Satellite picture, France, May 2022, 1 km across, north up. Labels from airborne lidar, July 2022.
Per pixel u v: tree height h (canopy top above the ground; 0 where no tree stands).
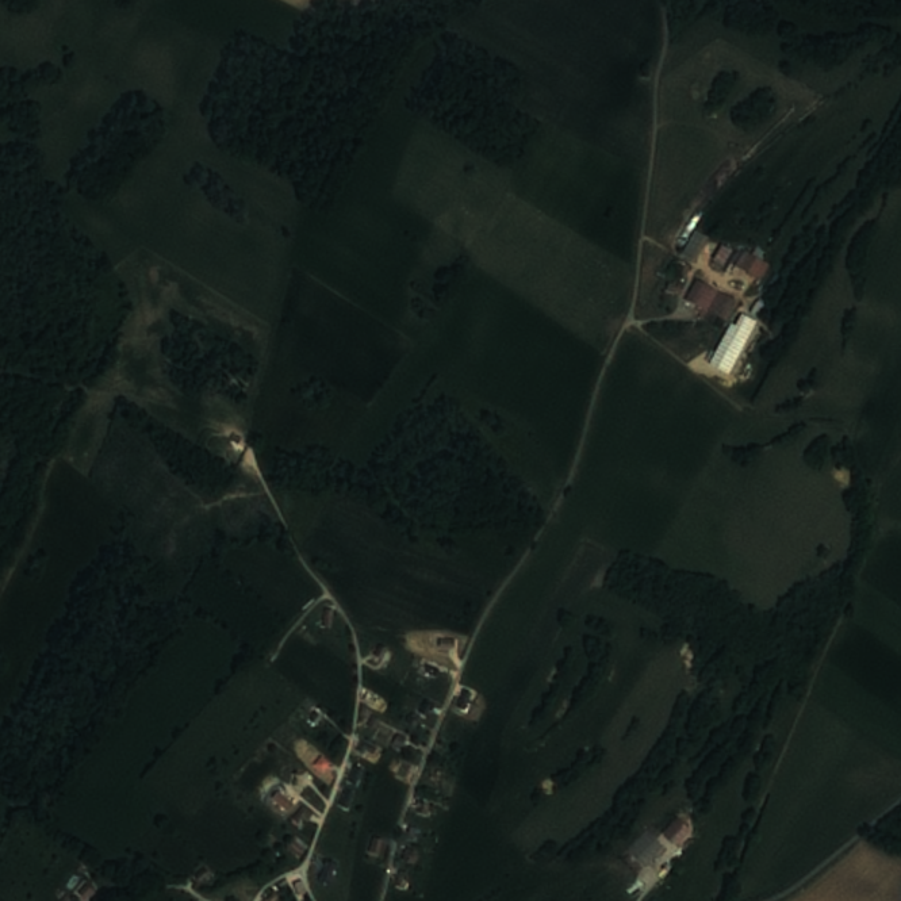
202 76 0
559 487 0
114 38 0
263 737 0
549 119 0
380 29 24
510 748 0
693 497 0
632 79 0
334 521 0
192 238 0
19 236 18
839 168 8
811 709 0
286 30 0
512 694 0
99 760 0
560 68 0
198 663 0
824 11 20
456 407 21
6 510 17
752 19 21
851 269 15
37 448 14
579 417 0
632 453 0
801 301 15
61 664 29
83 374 11
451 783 0
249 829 0
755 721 23
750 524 0
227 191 21
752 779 16
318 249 0
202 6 0
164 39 0
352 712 0
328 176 22
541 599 0
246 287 0
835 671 0
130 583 10
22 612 0
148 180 0
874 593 0
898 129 13
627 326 0
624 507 0
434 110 23
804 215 6
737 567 0
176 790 0
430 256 0
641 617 0
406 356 0
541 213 0
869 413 0
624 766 0
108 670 28
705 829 0
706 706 14
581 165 0
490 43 0
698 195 0
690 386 0
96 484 0
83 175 22
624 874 0
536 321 0
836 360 0
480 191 0
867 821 0
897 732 0
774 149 0
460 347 0
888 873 0
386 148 0
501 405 0
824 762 0
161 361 0
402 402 0
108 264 22
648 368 0
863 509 15
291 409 0
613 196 0
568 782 9
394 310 0
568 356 0
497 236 0
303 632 0
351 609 0
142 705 0
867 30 15
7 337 10
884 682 0
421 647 0
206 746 0
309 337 0
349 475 23
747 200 0
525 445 0
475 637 0
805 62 10
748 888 0
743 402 0
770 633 8
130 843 0
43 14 0
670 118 0
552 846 10
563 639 0
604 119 0
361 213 0
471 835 0
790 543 0
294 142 17
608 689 0
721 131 0
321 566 10
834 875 0
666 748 14
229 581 8
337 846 0
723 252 0
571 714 6
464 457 26
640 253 0
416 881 0
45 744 25
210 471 12
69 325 17
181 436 9
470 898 0
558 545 0
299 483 12
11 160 19
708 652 7
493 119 28
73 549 0
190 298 0
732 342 0
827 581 13
